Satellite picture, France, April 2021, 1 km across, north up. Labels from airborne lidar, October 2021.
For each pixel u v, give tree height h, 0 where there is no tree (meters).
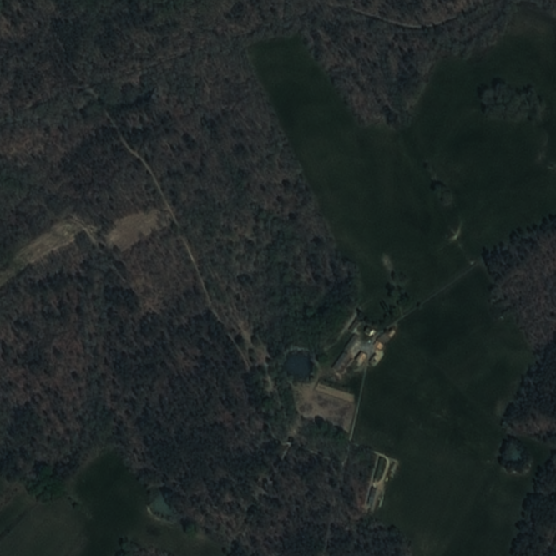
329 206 0
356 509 10
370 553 21
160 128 6
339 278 20
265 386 14
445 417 0
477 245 0
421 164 0
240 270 14
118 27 27
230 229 16
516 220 0
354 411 0
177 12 23
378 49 17
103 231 11
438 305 0
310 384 0
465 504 0
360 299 11
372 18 8
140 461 26
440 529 0
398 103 25
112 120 12
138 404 7
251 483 25
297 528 25
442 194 22
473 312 0
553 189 0
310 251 18
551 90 0
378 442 0
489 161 0
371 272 0
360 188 0
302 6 17
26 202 11
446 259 0
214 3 18
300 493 12
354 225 0
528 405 22
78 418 8
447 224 0
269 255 16
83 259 14
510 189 0
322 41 27
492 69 0
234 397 27
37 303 27
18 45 9
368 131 0
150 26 24
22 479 25
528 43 0
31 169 13
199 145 15
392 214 0
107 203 14
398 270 0
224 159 19
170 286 8
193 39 23
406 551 8
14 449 27
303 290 12
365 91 20
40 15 11
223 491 21
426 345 0
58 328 10
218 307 12
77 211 15
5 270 6
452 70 0
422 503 0
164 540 0
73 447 18
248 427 8
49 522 0
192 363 31
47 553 0
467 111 0
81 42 30
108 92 23
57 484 27
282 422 18
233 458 23
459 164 0
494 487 0
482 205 0
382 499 0
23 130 12
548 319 10
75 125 13
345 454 21
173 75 18
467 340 0
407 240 0
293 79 0
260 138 15
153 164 14
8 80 11
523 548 21
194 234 17
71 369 12
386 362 0
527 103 13
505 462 12
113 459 0
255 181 14
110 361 14
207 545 0
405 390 0
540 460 0
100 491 0
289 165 16
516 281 9
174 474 22
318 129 0
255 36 20
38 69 9
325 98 0
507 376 0
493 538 0
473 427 0
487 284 0
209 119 15
